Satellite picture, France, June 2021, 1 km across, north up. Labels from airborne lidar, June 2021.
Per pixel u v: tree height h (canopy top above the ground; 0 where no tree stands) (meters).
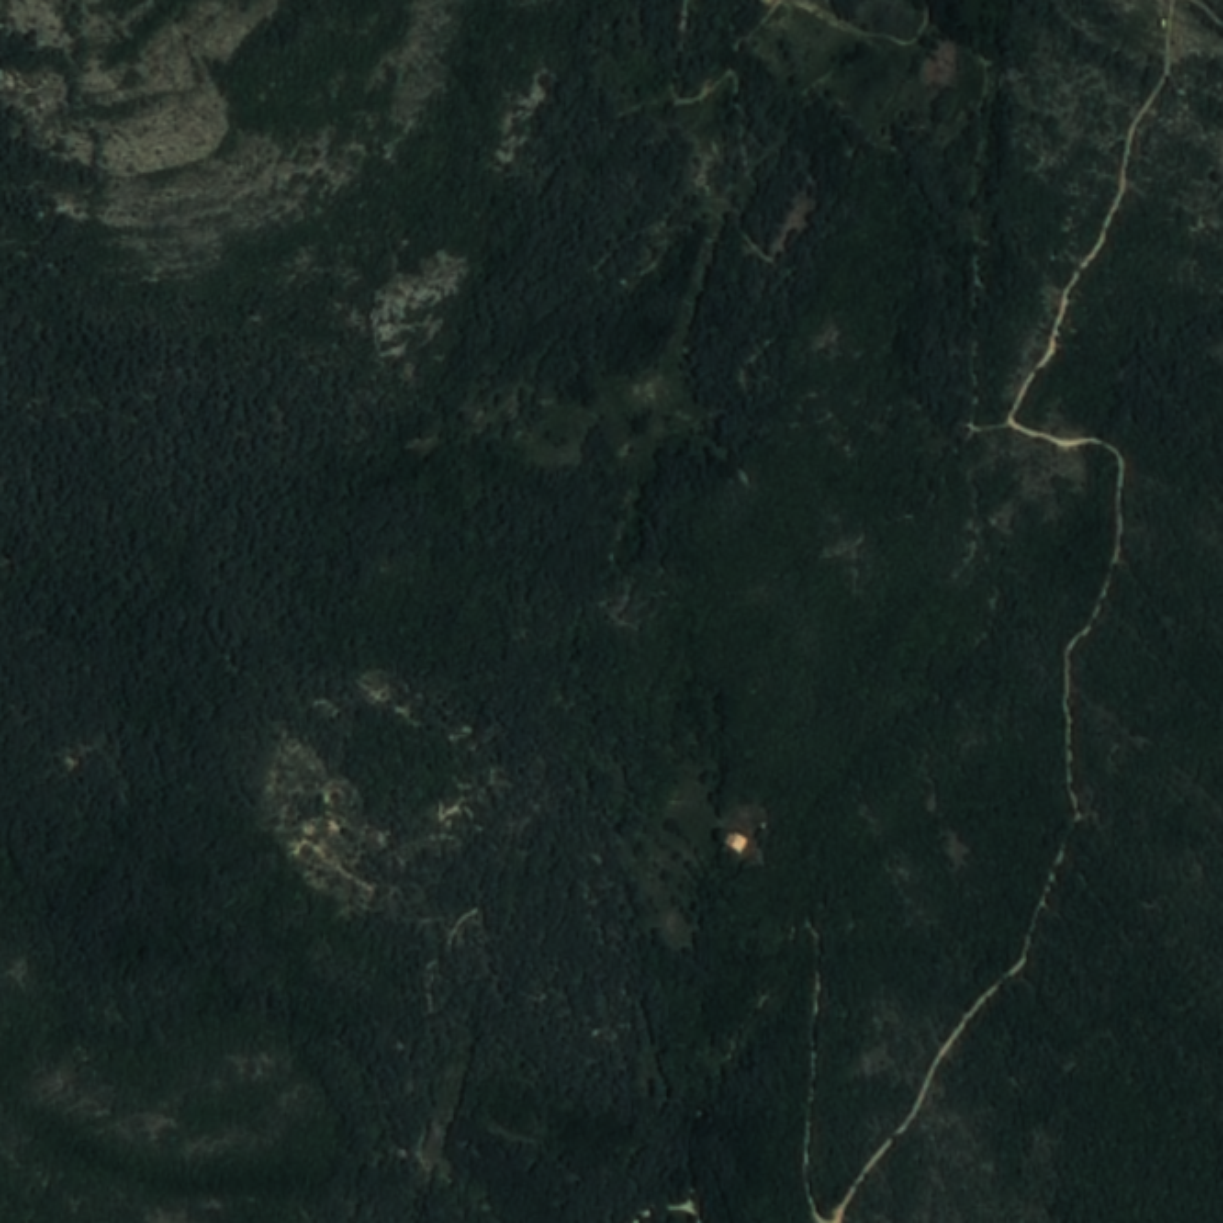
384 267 8
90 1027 9
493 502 14
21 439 11
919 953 7
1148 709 7
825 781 7
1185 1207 7
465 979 7
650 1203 12
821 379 6
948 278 8
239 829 11
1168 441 7
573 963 9
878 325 7
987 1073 6
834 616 8
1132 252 5
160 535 6
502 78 6
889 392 6
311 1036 11
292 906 7
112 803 11
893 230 10
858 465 6
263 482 10
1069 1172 8
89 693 11
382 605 11
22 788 13
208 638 12
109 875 15
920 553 7
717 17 10
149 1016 7
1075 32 7
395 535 15
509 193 7
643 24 10
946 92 7
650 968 9
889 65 0
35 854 11
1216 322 12
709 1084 9
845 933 6
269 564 16
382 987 10
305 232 6
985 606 7
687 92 8
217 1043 6
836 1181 6
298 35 10
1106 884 6
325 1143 7
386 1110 9
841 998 7
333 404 8
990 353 8
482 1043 15
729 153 10
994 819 5
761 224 8
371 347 6
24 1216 7
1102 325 6
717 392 12
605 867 9
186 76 0
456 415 9
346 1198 10
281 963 10
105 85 0
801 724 7
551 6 8
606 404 0
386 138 6
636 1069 10
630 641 6
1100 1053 6
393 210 7
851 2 13
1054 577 8
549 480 8
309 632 15
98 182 10
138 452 12
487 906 11
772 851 10
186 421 7
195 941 16
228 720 14
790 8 0
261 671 14
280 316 7
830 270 10
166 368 7
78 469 15
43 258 10
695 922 7
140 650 9
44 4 0
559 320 11
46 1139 10
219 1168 7
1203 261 6
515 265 11
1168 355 6
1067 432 0
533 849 9
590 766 11
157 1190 9
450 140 9
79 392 8
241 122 6
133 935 17
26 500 14
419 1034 9
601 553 11
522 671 11
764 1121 10
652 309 16
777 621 6
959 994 6
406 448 8
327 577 14
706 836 0
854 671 10
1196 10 6
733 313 13
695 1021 8
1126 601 7
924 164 13
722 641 7
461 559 6
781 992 8
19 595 13
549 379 11
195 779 12
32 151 9
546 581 13
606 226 8
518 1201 14
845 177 12
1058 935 6
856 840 6
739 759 7
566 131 7
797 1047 7
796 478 6
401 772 10
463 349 16
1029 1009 6
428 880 7
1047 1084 6
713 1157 15
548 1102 8
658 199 12
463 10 7
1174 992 6
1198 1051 8
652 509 14
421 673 6
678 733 8
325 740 9
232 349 9
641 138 7
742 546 9
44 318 6
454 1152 11
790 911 10
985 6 6
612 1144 13
